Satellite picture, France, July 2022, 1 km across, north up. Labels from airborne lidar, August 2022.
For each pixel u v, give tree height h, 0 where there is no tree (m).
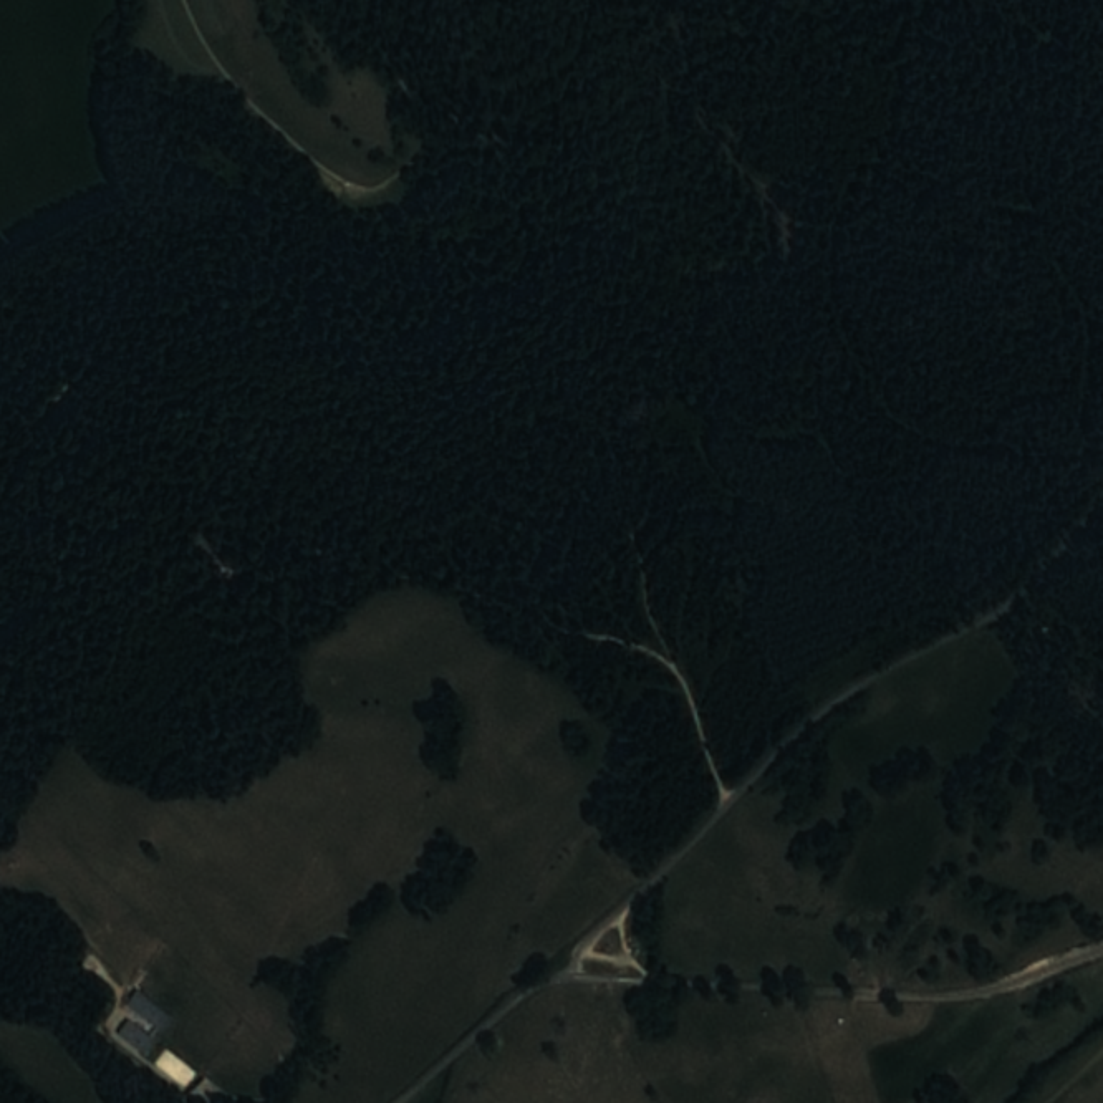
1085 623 13
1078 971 0
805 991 24
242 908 0
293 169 12
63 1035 20
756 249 18
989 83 32
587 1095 0
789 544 18
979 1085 0
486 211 33
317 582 24
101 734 9
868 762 0
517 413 18
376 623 0
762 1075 0
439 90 11
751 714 7
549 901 0
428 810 0
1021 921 10
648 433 19
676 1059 0
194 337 22
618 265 23
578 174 27
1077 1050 7
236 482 15
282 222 10
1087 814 16
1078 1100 0
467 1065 0
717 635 10
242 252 16
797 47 11
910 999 0
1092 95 27
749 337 24
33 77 0
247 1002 0
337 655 0
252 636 19
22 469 30
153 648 12
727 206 14
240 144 17
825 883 6
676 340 12
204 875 0
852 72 14
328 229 13
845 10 21
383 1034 0
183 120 18
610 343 25
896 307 27
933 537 28
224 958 0
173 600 15
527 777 0
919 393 14
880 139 17
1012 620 15
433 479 19
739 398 26
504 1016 0
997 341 28
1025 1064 0
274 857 0
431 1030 0
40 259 29
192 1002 0
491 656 0
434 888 27
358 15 11
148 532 22
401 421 21
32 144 0
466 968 0
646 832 9
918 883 0
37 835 0
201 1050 0
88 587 26
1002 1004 0
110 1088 25
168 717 8
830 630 20
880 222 22
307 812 0
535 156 33
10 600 9
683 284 20
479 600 12
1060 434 29
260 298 16
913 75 27
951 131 25
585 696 18
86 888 0
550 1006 0
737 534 22
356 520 17
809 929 0
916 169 6
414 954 0
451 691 21
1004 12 14
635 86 7
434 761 23
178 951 0
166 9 0
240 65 0
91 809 0
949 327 27
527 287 13
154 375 22
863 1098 0
